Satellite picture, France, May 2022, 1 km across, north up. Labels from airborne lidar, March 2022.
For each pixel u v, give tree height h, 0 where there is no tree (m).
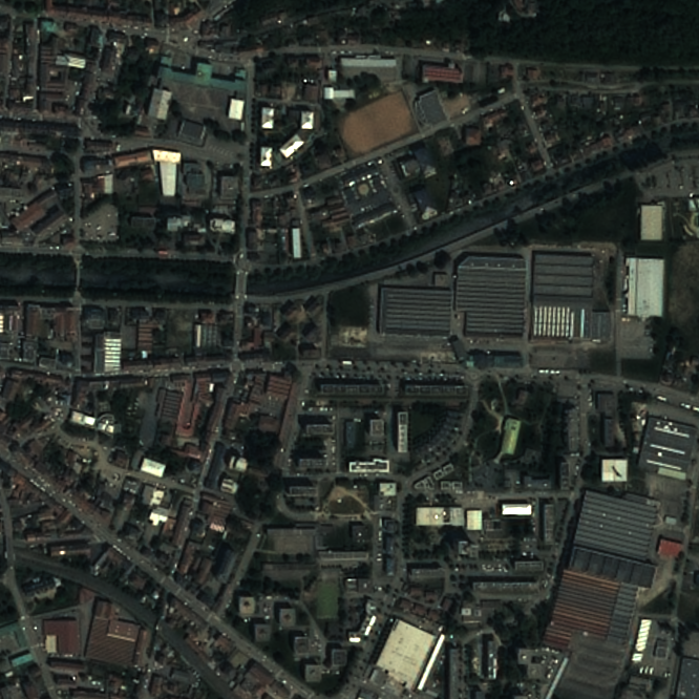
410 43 8
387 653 0
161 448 6
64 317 0
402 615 0
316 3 19
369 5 7
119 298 6
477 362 0
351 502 0
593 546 0
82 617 0
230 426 0
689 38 11
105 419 0
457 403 0
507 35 21
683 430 0
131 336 0
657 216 0
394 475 0
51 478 0
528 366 0
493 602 0
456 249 0
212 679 0
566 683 0
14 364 0
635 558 0
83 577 0
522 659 0
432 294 0
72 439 0
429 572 0
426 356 0
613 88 0
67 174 7
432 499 0
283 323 0
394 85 0
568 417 0
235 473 0
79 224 0
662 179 0
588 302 0
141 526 0
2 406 0
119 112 6
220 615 0
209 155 0
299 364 0
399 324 0
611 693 0
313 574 0
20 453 0
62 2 0
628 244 12
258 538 0
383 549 0
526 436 0
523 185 0
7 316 0
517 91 0
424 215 0
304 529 0
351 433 0
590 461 13
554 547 0
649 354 0
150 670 0
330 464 0
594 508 0
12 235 0
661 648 0
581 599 0
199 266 8
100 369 0
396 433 0
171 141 0
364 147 0
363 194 0
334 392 0
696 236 0
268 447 14
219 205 0
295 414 0
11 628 0
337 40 7
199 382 0
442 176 0
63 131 0
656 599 0
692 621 0
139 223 0
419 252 0
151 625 0
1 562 13
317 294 0
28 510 0
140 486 0
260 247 0
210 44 0
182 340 0
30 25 0
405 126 0
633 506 0
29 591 0
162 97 0
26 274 0
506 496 0
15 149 0
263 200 0
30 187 10
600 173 16
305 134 0
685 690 0
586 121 11
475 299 0
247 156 0
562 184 0
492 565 0
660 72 17
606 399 0
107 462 0
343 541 0
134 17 0
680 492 0
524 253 0
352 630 0
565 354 0
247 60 0
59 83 0
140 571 7
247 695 0
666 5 26
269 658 0
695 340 0
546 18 15
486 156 0
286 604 0
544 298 0
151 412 0
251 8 11
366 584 0
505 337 0
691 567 0
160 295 8
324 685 0
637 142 7
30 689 0
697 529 0
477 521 0
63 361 0
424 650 0
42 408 0
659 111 9
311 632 0
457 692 0
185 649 0
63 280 0
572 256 0
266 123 0
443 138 0
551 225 16
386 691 0
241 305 0
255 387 0
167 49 0
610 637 0
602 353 0
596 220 0
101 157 0
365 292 0
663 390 0
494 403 0
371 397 0
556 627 0
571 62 8
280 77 8
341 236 0
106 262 7
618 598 0
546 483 0
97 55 8
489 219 0
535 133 0
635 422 0
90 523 0
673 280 0
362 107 0
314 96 0
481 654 0
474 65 0
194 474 0
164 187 0
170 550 0
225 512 0
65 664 0
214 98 0
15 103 0
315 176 0
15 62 0
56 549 0
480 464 0
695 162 0
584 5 26
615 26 21
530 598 0
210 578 0
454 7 26
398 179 0
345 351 0
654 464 0
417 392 0
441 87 12
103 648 0
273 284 0
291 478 0
